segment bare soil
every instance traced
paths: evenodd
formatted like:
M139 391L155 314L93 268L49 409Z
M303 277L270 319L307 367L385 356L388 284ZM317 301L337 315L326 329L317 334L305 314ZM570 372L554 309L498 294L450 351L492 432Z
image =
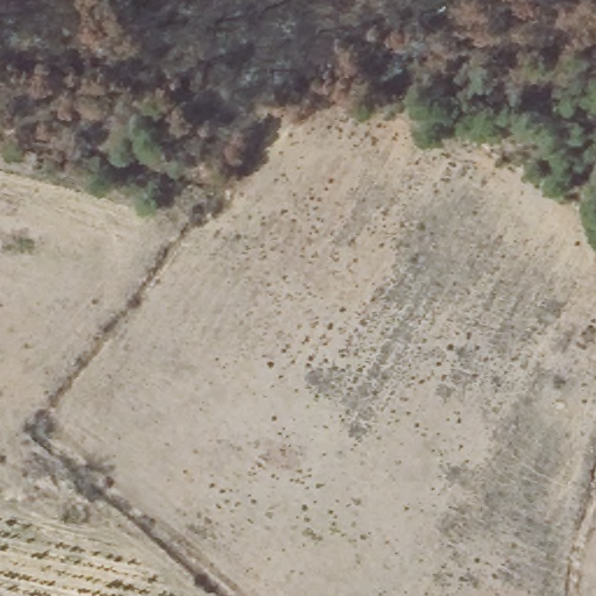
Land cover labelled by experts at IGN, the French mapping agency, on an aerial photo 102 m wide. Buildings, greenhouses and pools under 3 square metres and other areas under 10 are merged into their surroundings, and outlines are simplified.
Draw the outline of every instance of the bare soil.
M298 123L289 105L298 105L305 98L305 91L312 86L305 75L314 47L333 37L340 26L354 28L359 21L368 23L379 19L386 21L405 16L410 26L407 37L412 42L424 42L426 35L435 30L454 33L456 21L438 12L442 7L461 7L463 0L126 0L133 14L142 21L144 40L137 42L137 54L133 58L116 61L114 65L109 65L102 56L95 56L88 47L79 44L79 12L75 7L75 0L0 0L0 84L9 77L33 75L35 68L44 68L44 84L51 91L61 93L68 75L84 77L84 68L100 65L105 77L102 84L126 86L137 100L161 88L165 102L177 105L186 123L212 123L221 128L230 126L237 116L256 109L261 119L275 116L282 126Z
M200 191L205 184L203 179L189 177L189 186L175 198L175 203L170 207L161 207L149 217L156 221L158 230L179 233L172 242L168 242L168 247L179 249L193 228L205 226L226 207L224 198Z

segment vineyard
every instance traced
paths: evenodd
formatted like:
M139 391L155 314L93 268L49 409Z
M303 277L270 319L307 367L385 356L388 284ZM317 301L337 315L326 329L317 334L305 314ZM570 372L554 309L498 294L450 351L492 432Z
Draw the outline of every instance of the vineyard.
M179 563L175 563L151 540L147 540L147 535L119 510L102 501L88 501L86 496L77 494L61 461L63 452L44 452L40 445L33 442L23 426L12 431L7 438L9 442L0 447L0 596L212 596L196 587L193 577Z

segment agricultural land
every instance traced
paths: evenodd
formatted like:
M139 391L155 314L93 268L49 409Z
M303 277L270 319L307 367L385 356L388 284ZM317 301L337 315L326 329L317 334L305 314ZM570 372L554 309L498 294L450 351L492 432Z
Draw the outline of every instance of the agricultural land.
M244 193L235 198L230 207L226 207L205 226L193 228L179 249L168 247L168 242L172 242L179 233L158 230L156 221L149 217L140 217L137 210L128 203L112 203L107 198L95 198L91 193L79 193L49 182L0 172L0 447L9 442L7 438L12 431L23 426L33 442L40 445L44 452L63 452L61 461L77 494L86 496L88 501L102 501L119 510L147 535L147 540L151 540L175 563L179 563L193 577L196 587L212 596L596 596L596 249L587 240L580 207L575 203L559 203L554 198L542 196L542 191L538 191L531 182L524 182L524 168L498 168L496 163L501 158L501 151L496 142L482 144L468 137L449 137L440 147L421 149L412 140L407 114L400 114L398 119L389 121L379 109L368 121L356 121L345 107L328 107L319 109L312 119L298 123L282 126L277 140L268 147L265 163L254 175L242 179Z

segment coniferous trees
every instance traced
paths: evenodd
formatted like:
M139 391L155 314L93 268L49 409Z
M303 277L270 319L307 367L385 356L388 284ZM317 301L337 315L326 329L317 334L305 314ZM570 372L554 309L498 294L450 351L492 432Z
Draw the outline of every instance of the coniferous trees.
M88 47L95 56L102 56L109 65L114 65L116 61L133 58L137 54L137 42L144 40L142 21L133 14L126 0L75 0L75 7L79 12L79 44Z
M100 65L84 68L84 77L68 75L61 93L51 91L44 84L44 68L35 68L33 75L9 77L0 84L0 172L49 182L79 193L91 193L95 198L107 198L112 203L128 203L137 210L140 217L149 217L161 207L170 207L175 203L175 198L189 186L189 177L203 179L205 184L200 191L224 198L226 207L230 207L235 198L244 193L242 179L254 175L265 163L268 147L277 140L282 126L275 116L261 119L256 109L237 116L230 126L221 128L212 123L186 123L177 105L165 102L161 88L137 100L126 86L102 84L105 77Z
M501 151L501 158L496 163L498 168L524 168L524 182L531 182L538 191L542 191L542 196L554 198L559 203L575 203L580 207L587 240L596 249L596 0L463 0L461 7L442 7L438 12L456 21L454 33L435 30L426 35L424 42L412 42L407 37L410 26L405 16L386 21L379 19L368 23L359 21L354 28L340 26L333 37L314 47L305 75L312 86L305 91L305 98L298 105L289 105L298 123L312 119L319 109L328 107L345 107L356 121L368 121L379 109L389 121L398 119L400 114L407 114L412 140L421 149L440 147L449 137L468 137L482 144L496 142Z

